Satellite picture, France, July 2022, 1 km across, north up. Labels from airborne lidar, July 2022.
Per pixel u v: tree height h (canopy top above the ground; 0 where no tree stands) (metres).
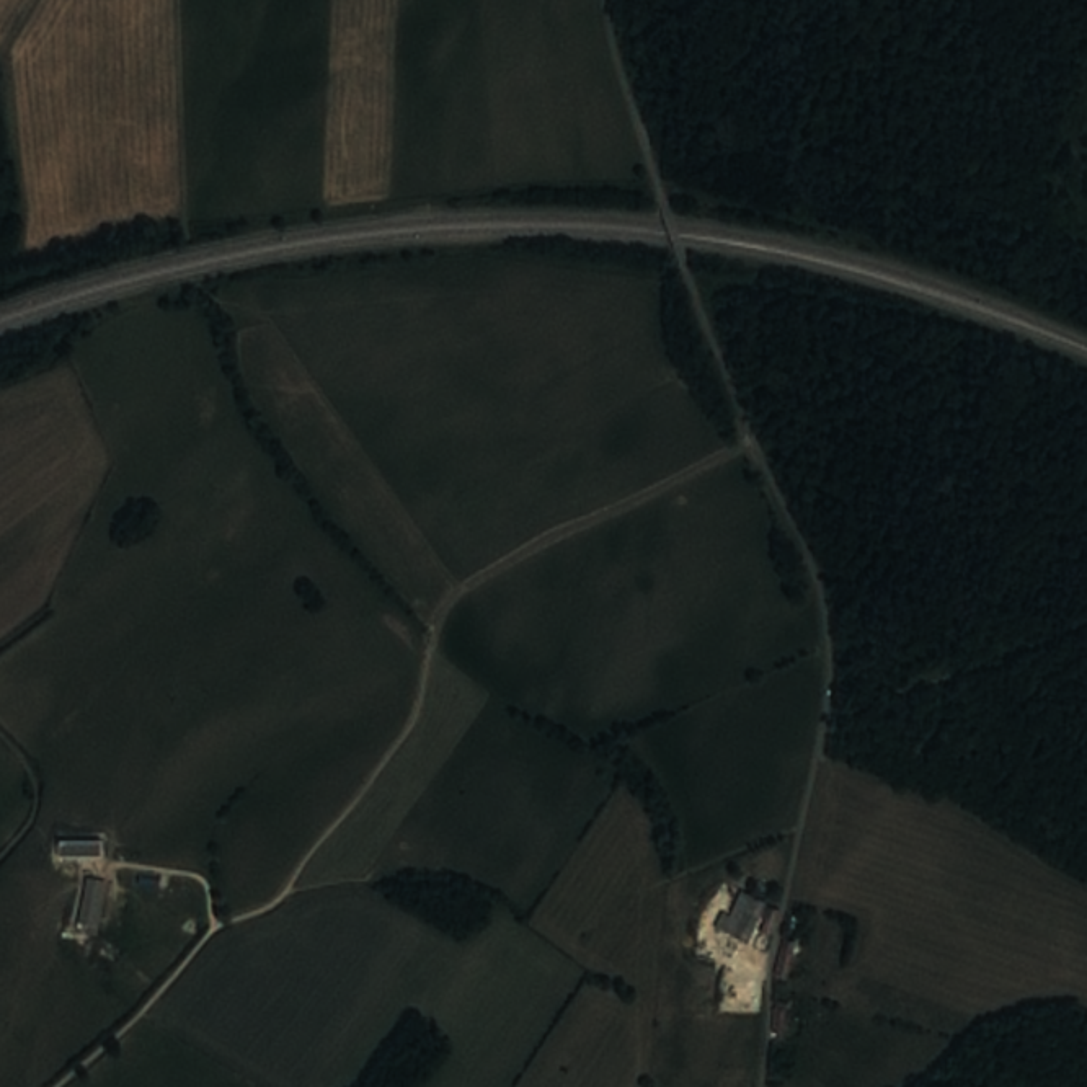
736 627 0
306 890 0
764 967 0
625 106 0
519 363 0
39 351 12
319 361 0
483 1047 0
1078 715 24
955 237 21
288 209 0
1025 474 24
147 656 0
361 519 0
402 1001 0
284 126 0
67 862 0
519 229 0
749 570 0
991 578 16
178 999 0
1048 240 20
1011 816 20
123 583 0
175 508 0
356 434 0
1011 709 16
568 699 0
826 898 0
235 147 0
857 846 0
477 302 0
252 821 0
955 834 0
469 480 0
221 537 0
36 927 0
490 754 0
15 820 0
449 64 0
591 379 0
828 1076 0
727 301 6
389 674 0
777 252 0
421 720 0
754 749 0
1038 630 19
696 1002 0
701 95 19
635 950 0
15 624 0
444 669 0
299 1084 0
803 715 0
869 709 21
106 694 0
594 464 0
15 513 0
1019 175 20
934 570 26
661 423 0
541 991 0
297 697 0
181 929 0
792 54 9
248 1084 0
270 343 0
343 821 0
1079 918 0
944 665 18
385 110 0
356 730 0
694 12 24
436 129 0
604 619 0
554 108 0
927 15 23
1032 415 20
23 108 0
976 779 20
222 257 0
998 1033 18
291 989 0
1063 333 0
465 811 0
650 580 0
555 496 0
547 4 0
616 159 0
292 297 0
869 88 18
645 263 13
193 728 0
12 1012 0
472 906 18
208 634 0
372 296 0
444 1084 0
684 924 0
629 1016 0
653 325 0
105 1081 0
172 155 0
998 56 26
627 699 0
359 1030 0
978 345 21
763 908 0
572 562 0
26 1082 0
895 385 24
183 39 0
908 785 15
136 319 0
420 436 0
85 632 0
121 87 0
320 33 0
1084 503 24
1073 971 0
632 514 0
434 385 0
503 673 0
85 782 0
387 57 0
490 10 0
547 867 0
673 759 0
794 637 0
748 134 23
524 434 0
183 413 0
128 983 0
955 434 24
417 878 11
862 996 0
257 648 0
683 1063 0
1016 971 0
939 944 0
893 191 25
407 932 0
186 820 0
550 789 0
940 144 24
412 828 0
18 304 0
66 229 0
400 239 0
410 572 0
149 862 0
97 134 0
